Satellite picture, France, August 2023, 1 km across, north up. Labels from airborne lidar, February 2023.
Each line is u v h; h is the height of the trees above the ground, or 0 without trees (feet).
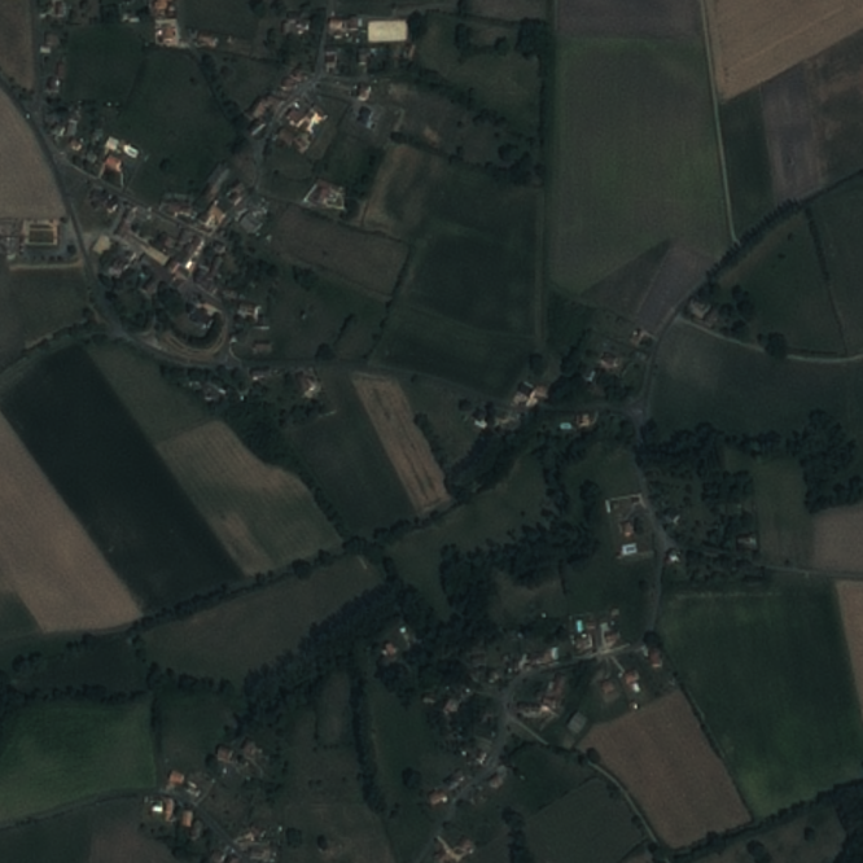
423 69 22
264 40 0
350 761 0
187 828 21
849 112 0
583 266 0
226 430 0
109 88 0
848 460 56
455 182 0
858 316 0
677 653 0
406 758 0
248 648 0
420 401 0
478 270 0
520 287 0
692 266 0
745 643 0
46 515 0
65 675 0
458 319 0
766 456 47
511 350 0
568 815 0
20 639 0
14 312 0
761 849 55
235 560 0
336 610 0
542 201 0
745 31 0
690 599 0
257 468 0
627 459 0
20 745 0
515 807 0
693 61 0
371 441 0
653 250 0
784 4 0
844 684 0
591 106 0
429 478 0
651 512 0
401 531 59
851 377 0
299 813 0
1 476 0
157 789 0
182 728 0
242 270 19
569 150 0
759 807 0
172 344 0
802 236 0
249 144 21
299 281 46
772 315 0
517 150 50
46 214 0
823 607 0
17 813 0
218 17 0
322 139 0
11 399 0
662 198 0
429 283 0
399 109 0
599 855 0
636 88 0
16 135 0
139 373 0
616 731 0
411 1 0
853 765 0
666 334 0
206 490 0
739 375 0
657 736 0
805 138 0
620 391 48
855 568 0
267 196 0
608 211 0
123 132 0
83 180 0
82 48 0
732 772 0
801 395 0
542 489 0
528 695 0
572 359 32
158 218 0
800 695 0
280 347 0
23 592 0
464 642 43
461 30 38
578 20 0
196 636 0
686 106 0
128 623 0
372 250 0
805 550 0
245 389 31
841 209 0
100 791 0
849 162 0
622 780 0
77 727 0
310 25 18
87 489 0
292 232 0
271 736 0
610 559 0
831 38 0
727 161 0
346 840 0
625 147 0
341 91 0
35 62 0
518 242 0
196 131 0
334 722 0
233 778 0
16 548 0
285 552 0
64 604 0
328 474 0
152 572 0
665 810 0
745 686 0
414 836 0
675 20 0
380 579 0
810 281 0
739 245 0
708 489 35
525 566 77
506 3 0
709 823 0
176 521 0
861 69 0
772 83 0
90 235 0
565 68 0
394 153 0
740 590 0
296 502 0
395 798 0
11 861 0
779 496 0
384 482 0
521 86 0
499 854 0
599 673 0
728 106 0
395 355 0
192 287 0
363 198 40
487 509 0
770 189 0
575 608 0
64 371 0
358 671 31
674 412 0
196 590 0
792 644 0
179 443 0
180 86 0
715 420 0
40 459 0
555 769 0
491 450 102
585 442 54
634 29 0
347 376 0
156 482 0
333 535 0
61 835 0
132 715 0
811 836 41
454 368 0
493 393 0
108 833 0
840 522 0
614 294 0
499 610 0
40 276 0
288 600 0
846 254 0
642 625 0
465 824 0
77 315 0
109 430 0
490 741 0
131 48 0
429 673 60
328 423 0
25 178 0
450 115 0
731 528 33
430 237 0
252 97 0
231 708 0
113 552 0
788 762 0
